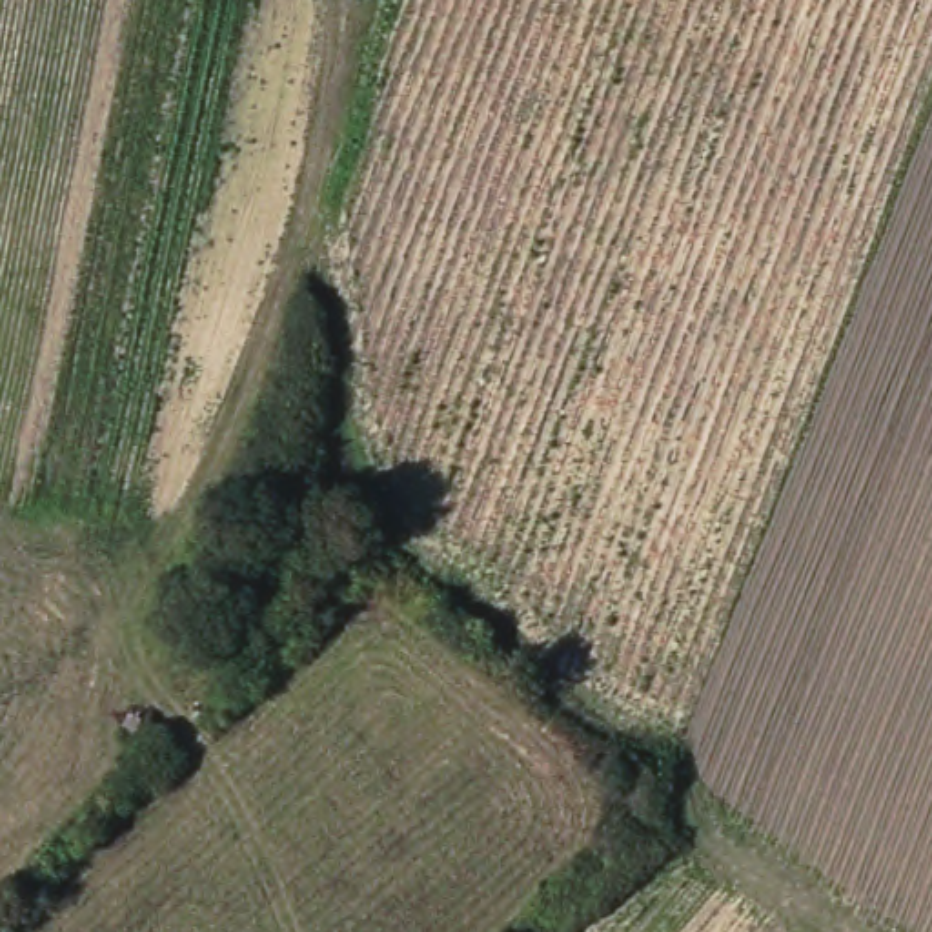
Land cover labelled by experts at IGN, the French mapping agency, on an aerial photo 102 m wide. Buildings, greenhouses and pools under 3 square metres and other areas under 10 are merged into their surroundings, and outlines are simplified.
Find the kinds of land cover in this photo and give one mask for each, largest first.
<instances>
[{"label":"agricultural land","instance_id":"1","mask_svg":"<svg viewBox=\"0 0 932 932\"><path fill-rule=\"evenodd\" d=\"M357 0H0V477L11 481L7 499L18 502L22 521L51 524L76 517L84 521V535H95L98 550L113 564L146 557L160 572L164 553L153 542V513L175 510L186 491L193 495L218 484L226 473L248 430L251 408L266 386L284 306L302 273L317 269L335 284L339 299L346 302L353 339V404L346 419V451L350 462L360 466V488L353 491L357 502L371 510L382 532L379 539L386 546L415 542V553L426 568H437L444 575L459 572V579L481 601L517 615V630L524 641L553 644L568 633L583 637L590 644V670L583 684L586 710H597L608 728H652L655 735H674L688 743L699 775L735 812L754 819V830L746 834L743 848L732 837H724V830L695 837L688 856H681L663 877H655L644 892L626 899L615 914L593 921L586 932H932V0H400V15L386 40V55L379 58V84L386 91H379L371 109L368 160L360 178L346 189L339 211L324 204V182L335 167V138L346 117L342 80L350 69V15ZM484 677L473 674V666L462 670L459 655L444 641H426L400 619V604L382 597L379 604L371 601V608L360 612L317 663L299 670L277 699H269L258 714L237 724V732L226 739L197 735L204 761L197 775L178 790L157 801L149 797V790H135L127 812L106 816L95 837L84 845V852L62 866V877H40L29 866L0 881V932H502L524 917L521 899L553 866H568L590 845L593 826L601 819V779L575 761L568 735H561L546 721L532 717L524 706L502 710L499 703H491L481 692Z\"/></svg>","mask_w":932,"mask_h":932},{"label":"herbaceous vegetation","instance_id":"2","mask_svg":"<svg viewBox=\"0 0 932 932\"><path fill-rule=\"evenodd\" d=\"M400 15V0H357L350 15V69L342 80L346 117L335 138V167L324 182V204L339 211L346 189L360 178L368 160L371 109L379 91H386L379 84V58L386 55V40ZM11 481L0 477V881L29 866V859L51 841V834L73 812L84 808L87 794L117 768V732H135L138 721L160 724L182 754L178 775L171 783L178 790L197 775L204 761L197 735L226 739L237 732V724L226 721L229 706L222 684L208 670L189 666L186 648L164 644L153 630H146L160 572L146 557L113 564L98 550L95 535H84V521L76 517L51 524L22 521L18 502L7 499ZM153 542L164 553L160 572L204 561L215 546V521L197 517L193 495L186 491L175 510L153 513ZM684 819L695 830V837L724 830V837H732L743 848L746 834L754 830V819L735 812L699 775L684 801Z\"/></svg>","mask_w":932,"mask_h":932},{"label":"deciduous trees","instance_id":"3","mask_svg":"<svg viewBox=\"0 0 932 932\"><path fill-rule=\"evenodd\" d=\"M197 517L215 521V546L204 561L160 572L146 630H153L164 644L186 648L189 666L208 670L222 684L229 706L226 721L237 724L258 714L269 699H277L299 670L317 663L360 612L371 608V601L379 604L382 597L400 604V619L426 641H444L459 655L462 670L473 666V674L484 677L481 692L491 703H499L502 710L524 706L532 717L546 721L572 684H583L590 670V644L583 637L568 633L553 644L524 641L517 630V615L481 601L459 579V572L444 575L437 568H426L415 553V542L386 546L379 539L382 532L371 510L357 502L353 491L309 488L299 506H288L269 495L262 470L226 473L218 484L193 495ZM117 768L87 794L84 808L73 812L51 834V841L29 859V866L40 877H62V866L84 852V845L95 837L106 816L127 812L135 790H149V797L157 801L178 790L171 783L178 775L182 754L160 724L138 721L135 732H117Z\"/></svg>","mask_w":932,"mask_h":932},{"label":"brushwood","instance_id":"4","mask_svg":"<svg viewBox=\"0 0 932 932\"><path fill-rule=\"evenodd\" d=\"M353 339L346 302L339 299L335 284L317 269L302 273L284 306L266 386L251 408L248 430L226 473L262 470L269 495L288 506H299L309 488L353 491L360 488V466L350 462L346 451V419L353 404ZM561 735H568L575 761L601 779V819L593 826L590 845L568 866H553L521 899L524 917L502 932H586L593 921L615 914L626 899L644 892L655 877H663L681 856H688L695 837V830L684 819V801L699 775L688 743L674 735H655L652 728H608L597 710H586L583 684H572L546 721Z\"/></svg>","mask_w":932,"mask_h":932}]
</instances>
